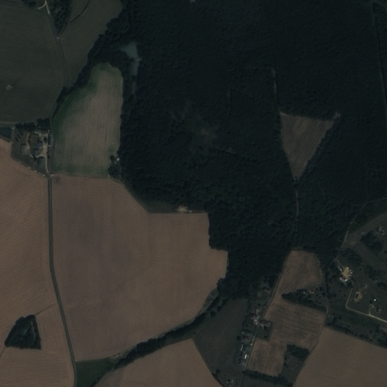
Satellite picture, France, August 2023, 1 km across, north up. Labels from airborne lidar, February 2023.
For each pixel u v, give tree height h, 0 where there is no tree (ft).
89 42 0
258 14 56
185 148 52
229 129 43
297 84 63
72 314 0
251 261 83
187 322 0
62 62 0
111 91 0
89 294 0
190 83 65
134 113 69
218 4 63
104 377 0
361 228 0
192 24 77
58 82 0
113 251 0
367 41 66
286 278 0
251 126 42
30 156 0
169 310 0
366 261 0
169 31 69
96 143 0
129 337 0
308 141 0
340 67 62
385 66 70
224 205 64
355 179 88
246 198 74
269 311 0
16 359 0
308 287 0
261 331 0
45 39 0
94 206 0
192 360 0
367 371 0
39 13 0
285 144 0
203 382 0
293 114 48
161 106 55
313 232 38
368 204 20
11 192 0
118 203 0
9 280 0
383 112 52
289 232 38
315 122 0
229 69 64
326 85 73
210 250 0
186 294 0
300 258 0
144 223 0
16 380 0
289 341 0
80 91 0
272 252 65
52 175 0
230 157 63
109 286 0
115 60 102
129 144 83
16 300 0
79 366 0
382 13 83
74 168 0
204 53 70
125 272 0
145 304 0
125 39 47
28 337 56
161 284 0
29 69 0
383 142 57
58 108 22
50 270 0
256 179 60
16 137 0
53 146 0
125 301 0
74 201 0
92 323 0
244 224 76
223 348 0
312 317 0
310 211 48
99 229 0
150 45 82
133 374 0
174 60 57
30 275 0
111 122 0
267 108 42
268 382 22
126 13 51
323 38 66
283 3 51
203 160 66
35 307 0
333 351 0
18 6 0
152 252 0
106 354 0
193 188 22
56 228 0
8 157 0
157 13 68
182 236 0
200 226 0
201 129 0
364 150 82
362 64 74
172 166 68
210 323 0
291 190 0
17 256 0
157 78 60
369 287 0
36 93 0
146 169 55
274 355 0
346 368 0
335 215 77
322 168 70
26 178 0
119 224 0
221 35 56
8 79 0
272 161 61
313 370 0
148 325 0
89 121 0
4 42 0
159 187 24
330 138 42
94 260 0
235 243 72
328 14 66
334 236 47
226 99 68
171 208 0
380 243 38
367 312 0
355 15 71
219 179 64
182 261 0
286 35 56
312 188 28
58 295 0
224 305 24
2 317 0
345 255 23
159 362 0
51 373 0
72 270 0
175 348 0
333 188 82
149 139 57
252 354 0
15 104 0
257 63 54
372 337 0
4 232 0
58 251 0
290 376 0
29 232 0
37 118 0
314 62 62
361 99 66
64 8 31
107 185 0
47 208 0
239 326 0
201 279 0
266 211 62
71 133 0
